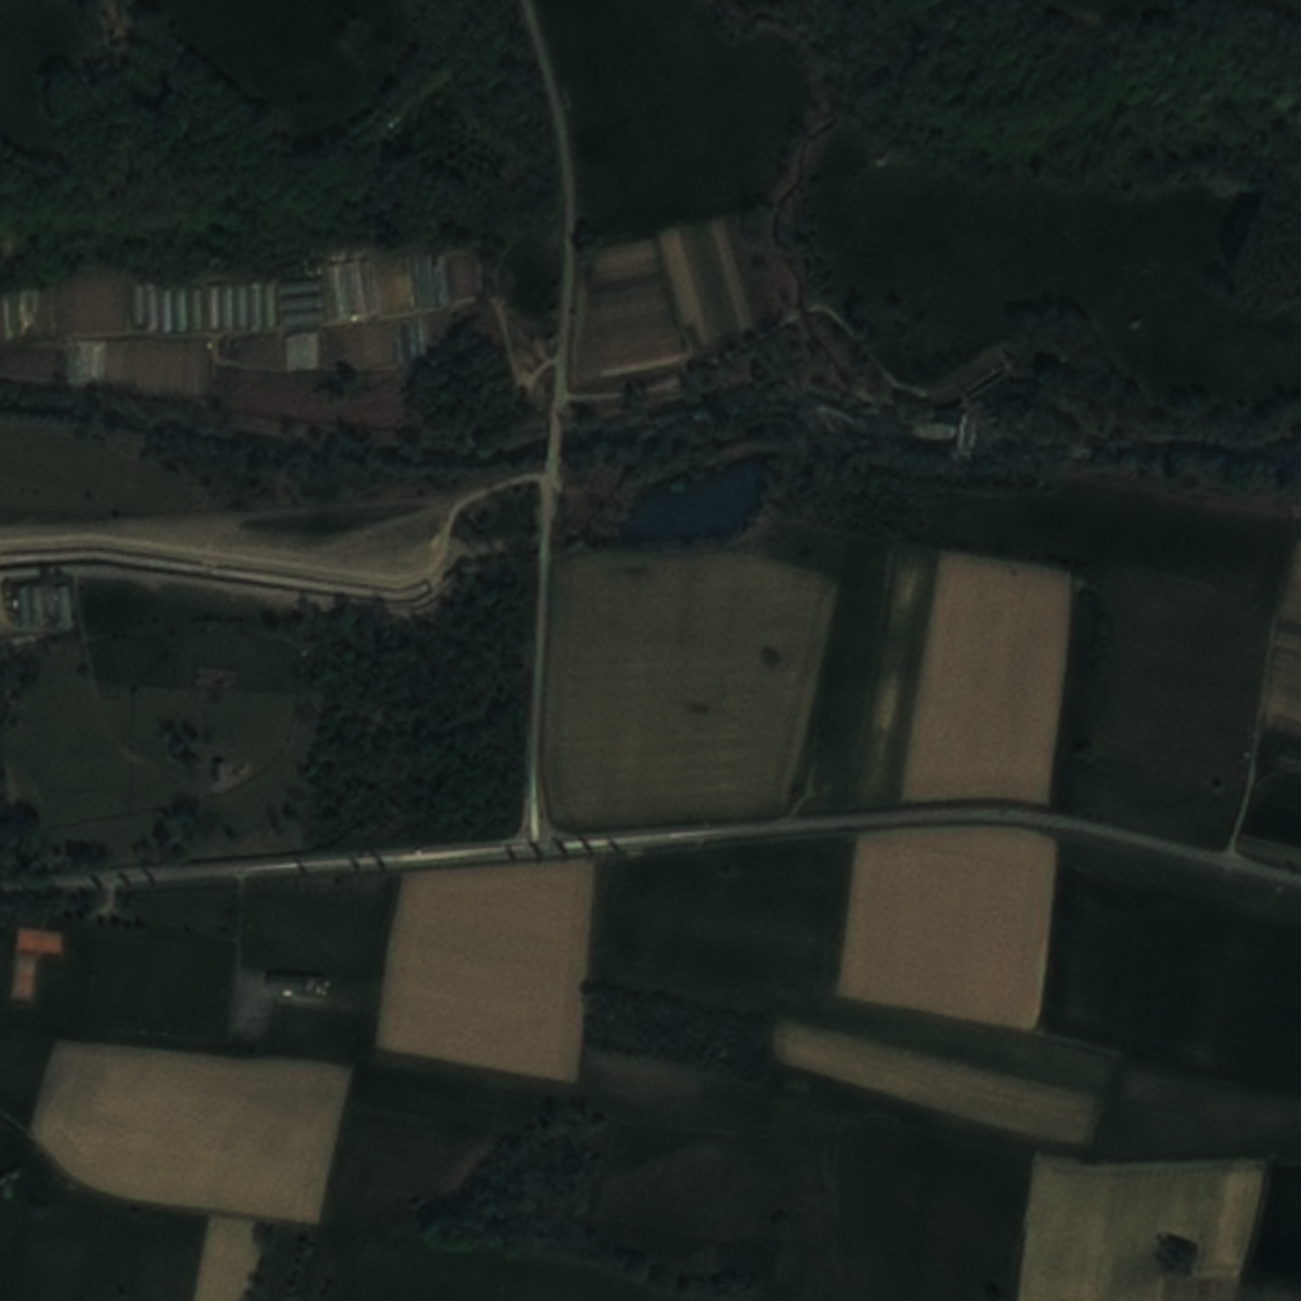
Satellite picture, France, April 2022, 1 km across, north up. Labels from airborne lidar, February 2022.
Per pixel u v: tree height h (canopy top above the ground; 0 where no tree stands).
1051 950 0
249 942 0
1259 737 0
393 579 0
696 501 0
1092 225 0
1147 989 0
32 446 0
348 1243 0
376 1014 0
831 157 0
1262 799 0
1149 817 0
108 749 0
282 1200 0
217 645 0
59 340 0
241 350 0
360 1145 0
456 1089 0
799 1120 0
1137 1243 0
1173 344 0
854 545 0
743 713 0
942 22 21
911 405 16
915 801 0
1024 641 0
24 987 0
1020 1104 0
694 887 0
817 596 0
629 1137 0
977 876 0
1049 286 0
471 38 24
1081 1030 0
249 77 0
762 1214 0
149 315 0
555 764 0
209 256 22
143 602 0
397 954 0
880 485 12
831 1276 0
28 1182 0
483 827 8
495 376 21
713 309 0
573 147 0
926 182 0
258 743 0
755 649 0
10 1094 0
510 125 17
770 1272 0
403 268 0
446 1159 0
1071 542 0
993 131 26
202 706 0
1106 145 26
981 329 0
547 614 0
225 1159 0
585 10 0
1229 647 0
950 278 0
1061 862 0
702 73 0
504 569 7
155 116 28
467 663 19
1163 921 0
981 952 0
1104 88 21
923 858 0
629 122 0
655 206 0
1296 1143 0
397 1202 0
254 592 0
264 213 30
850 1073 0
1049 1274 0
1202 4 16
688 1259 0
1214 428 24
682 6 0
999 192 0
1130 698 0
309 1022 0
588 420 20
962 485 12
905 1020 0
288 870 0
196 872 0
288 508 0
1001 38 22
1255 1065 0
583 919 0
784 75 0
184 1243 0
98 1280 0
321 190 32
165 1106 0
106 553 0
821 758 0
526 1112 0
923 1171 0
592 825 0
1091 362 21
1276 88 23
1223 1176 0
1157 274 0
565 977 0
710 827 0
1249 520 0
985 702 0
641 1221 0
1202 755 0
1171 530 0
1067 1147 0
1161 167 26
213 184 27
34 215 22
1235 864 0
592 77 0
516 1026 0
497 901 0
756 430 8
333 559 0
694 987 0
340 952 0
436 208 26
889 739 0
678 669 0
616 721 0
